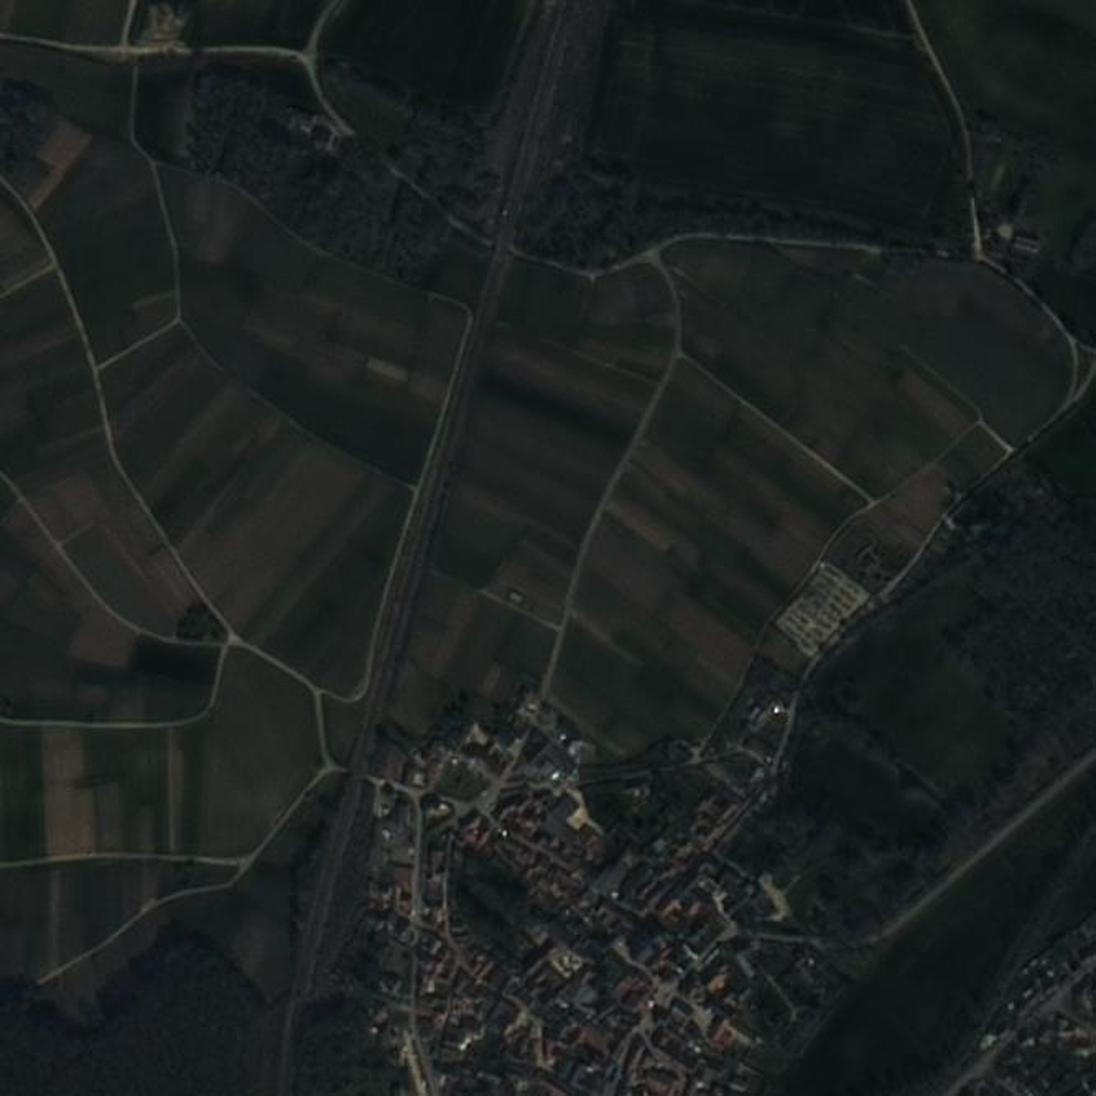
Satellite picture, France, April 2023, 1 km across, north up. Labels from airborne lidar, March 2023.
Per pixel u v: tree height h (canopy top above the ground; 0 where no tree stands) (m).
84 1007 0
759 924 20
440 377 0
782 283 0
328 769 0
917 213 0
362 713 0
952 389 0
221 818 0
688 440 0
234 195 0
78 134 0
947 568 18
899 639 0
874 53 0
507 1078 7
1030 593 32
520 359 0
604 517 0
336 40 0
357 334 0
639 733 0
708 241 0
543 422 0
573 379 0
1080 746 19
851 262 0
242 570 0
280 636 0
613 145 0
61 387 0
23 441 0
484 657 0
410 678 0
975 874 0
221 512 0
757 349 0
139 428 0
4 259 0
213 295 0
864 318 0
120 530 0
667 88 0
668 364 0
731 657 0
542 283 0
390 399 0
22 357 0
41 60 0
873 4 0
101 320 0
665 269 0
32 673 0
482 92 0
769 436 0
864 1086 0
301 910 9
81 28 0
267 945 0
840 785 0
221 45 0
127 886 0
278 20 0
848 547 0
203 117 8
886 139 0
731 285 0
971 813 26
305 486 0
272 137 18
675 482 0
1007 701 19
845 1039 0
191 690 0
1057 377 0
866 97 0
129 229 0
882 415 0
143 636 0
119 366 0
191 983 26
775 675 8
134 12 0
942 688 0
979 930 0
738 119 0
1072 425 0
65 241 0
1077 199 0
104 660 0
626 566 0
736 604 0
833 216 0
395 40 0
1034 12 0
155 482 0
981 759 0
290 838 0
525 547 0
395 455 0
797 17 0
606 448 0
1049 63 0
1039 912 20
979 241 0
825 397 0
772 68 0
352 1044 10
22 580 0
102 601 0
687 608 0
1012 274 12
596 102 0
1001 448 0
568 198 18
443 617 0
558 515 0
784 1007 0
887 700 0
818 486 0
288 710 0
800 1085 0
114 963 0
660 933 0
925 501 0
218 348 0
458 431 0
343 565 0
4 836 0
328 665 0
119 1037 26
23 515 0
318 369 0
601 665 0
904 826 0
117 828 0
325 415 0
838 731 19
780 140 0
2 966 0
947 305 0
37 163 0
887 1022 0
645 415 0
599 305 0
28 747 0
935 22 0
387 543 0
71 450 0
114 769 0
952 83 0
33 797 0
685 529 0
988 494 0
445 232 16
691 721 0
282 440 0
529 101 0
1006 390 0
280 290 0
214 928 0
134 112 0
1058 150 0
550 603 0
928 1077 24
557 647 0
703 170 0
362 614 0
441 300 0
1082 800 0
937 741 0
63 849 0
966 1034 20
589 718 0
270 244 0
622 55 0
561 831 0
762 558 0
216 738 0
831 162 0
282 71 0
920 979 0
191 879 6
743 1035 0
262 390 0
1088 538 30
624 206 19
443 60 0
